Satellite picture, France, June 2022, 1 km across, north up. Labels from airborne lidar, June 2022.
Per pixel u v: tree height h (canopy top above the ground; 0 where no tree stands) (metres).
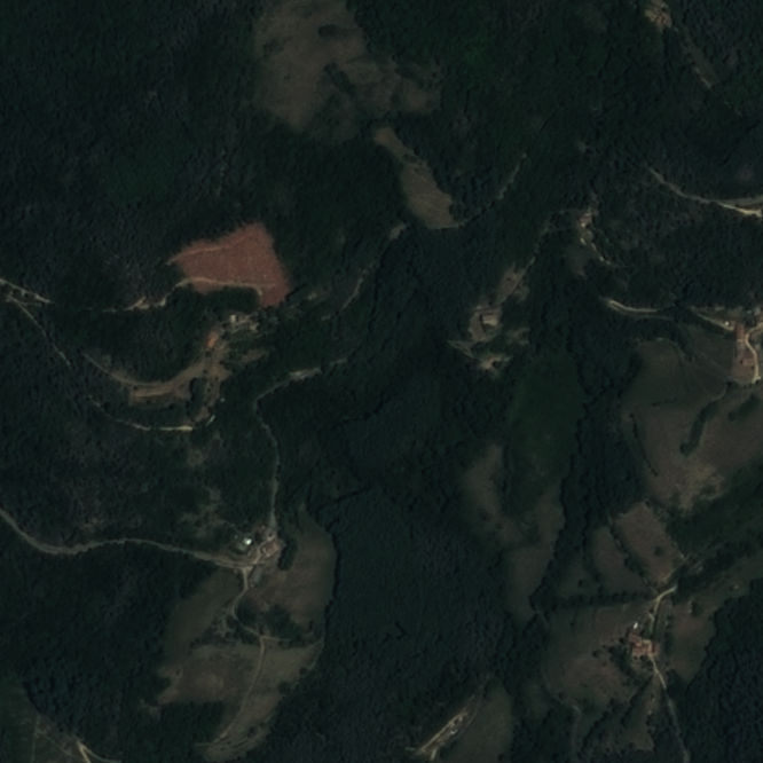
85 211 12
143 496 9
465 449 19
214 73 14
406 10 14
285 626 10
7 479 13
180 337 8
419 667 26
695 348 0
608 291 10
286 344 16
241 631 10
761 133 26
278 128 10
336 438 29
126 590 23
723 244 13
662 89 8
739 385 11
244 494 8
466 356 8
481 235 17
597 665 0
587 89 17
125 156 6
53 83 15
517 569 0
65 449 6
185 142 6
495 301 8
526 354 14
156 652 15
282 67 0
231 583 0
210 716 13
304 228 8
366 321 18
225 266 0
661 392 0
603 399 18
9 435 17
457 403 10
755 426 0
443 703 18
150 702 10
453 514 27
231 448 8
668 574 0
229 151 17
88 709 9
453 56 13
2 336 11
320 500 16
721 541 9
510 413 22
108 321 12
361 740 23
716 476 0
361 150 15
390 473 12
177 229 17
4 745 27
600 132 28
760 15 12
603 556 0
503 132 20
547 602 21
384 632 27
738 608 20
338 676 17
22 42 15
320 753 21
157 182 8
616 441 7
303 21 0
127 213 13
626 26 19
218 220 10
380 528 13
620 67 17
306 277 7
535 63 19
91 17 17
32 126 15
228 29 19
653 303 9
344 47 0
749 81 12
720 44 14
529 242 13
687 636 0
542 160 18
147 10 15
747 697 17
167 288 15
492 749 0
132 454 9
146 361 15
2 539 11
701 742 21
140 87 11
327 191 16
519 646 23
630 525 0
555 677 0
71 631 24
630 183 17
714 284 22
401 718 19
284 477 16
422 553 21
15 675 23
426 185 0
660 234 9
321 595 0
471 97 15
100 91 14
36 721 0
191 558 12
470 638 20
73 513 9
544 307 16
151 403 9
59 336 14
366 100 0
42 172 11
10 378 17
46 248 14
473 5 15
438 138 16
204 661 0
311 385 21
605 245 14
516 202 9
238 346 6
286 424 24
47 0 13
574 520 20
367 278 10
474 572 30
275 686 0
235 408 19
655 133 17
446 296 29
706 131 9
